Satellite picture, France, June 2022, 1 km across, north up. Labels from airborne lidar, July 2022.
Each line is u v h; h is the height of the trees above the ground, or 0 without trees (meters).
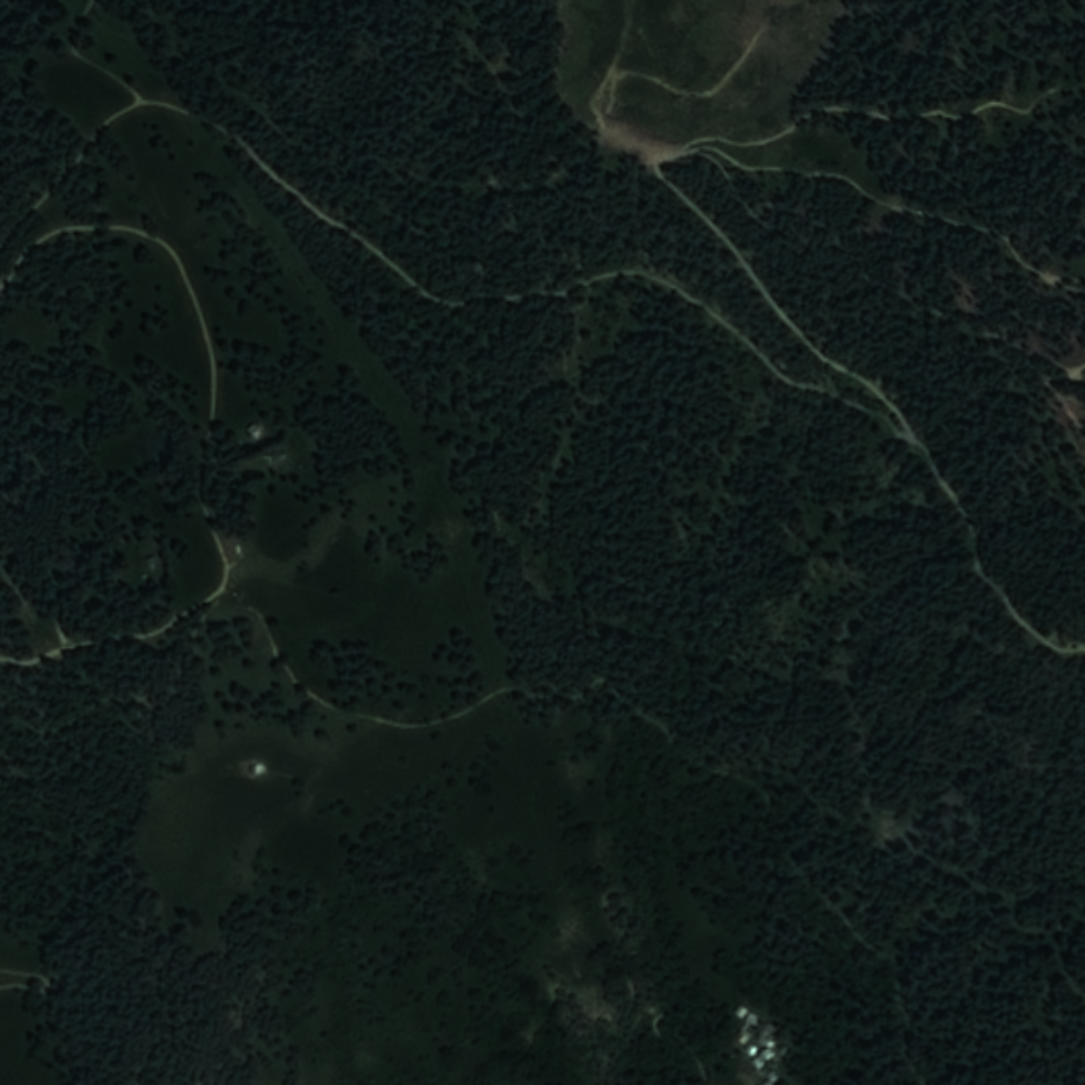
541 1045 10
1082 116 18
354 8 23
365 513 0
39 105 24
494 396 9
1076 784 26
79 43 21
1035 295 25
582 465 28
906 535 22
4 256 16
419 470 0
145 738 11
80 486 29
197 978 15
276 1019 18
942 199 20
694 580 29
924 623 15
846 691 8
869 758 18
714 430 14
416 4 14
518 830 0
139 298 0
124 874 22
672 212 11
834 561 22
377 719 0
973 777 18
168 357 0
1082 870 7
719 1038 13
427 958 10
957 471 27
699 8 0
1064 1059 14
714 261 23
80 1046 19
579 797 0
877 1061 29
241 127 9
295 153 11
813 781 19
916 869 25
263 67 18
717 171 16
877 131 24
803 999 13
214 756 0
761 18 0
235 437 17
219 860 0
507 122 28
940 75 22
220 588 0
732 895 15
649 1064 21
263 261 19
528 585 20
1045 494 24
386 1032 6
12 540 26
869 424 30
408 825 8
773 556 28
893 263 19
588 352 0
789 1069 14
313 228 14
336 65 9
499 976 11
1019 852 30
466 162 22
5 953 0
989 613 20
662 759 11
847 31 24
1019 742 16
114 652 23
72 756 14
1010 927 11
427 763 0
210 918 0
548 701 14
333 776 0
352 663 15
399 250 11
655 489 21
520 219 19
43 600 17
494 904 14
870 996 22
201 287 0
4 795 10
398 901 11
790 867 15
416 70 18
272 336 0
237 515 24
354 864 17
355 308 17
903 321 24
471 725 0
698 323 8
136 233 0
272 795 0
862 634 35
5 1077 0
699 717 24
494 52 20
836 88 22
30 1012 17
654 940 13
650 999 23
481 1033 10
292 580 0
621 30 0
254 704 6
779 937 15
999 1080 17
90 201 22
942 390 22
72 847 8
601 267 13
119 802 21
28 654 20
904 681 18
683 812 9
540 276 25
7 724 8
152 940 14
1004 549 15
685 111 0
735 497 19
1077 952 13
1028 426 26
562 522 24
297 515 0
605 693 11
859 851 21
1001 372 24
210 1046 15
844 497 18
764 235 16
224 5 15
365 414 15
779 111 0
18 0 30
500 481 20
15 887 23
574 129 13
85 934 18
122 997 26
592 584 36
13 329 0
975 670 24
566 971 0
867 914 12
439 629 0
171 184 0
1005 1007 23
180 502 15
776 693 19
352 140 23
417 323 7
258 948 25
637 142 0
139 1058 16
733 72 0
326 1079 0
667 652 22
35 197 12
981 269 21
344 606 0
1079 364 0
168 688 11
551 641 25
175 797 0
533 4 24
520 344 21
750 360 11
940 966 9
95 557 30
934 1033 10
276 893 14
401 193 17
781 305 15
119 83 0
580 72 0
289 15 24
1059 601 19
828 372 12
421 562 20
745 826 21
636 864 10
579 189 17
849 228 20
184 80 17
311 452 0
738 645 8
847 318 14
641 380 11
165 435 5
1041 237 22
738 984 17
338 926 11
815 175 0
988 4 26
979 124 22
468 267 23
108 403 19
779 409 16
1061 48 26
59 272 23
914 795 29
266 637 0
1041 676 12
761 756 15
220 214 9
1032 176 23
